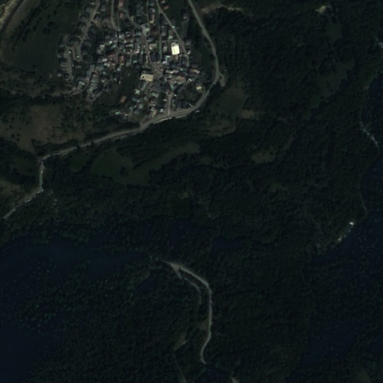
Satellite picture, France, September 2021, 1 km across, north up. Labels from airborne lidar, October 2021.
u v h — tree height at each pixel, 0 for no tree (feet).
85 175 65
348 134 108
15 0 0
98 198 62
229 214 38
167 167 45
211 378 91
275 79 98
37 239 62
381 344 68
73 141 32
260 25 34
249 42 41
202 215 73
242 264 86
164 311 86
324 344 59
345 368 99
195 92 0
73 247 72
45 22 0
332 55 58
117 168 0
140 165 48
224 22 37
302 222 87
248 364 87
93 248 95
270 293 84
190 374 36
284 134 63
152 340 89
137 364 105
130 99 17
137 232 37
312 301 92
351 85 59
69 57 0
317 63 64
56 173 40
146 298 63
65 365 68
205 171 85
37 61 0
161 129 67
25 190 31
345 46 86
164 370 64
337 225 67
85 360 81
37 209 105
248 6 77
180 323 87
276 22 107
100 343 57
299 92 114
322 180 39
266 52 112
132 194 67
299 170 85
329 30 0
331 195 25
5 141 54
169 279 76
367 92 70
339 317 107
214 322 46
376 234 67
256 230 52
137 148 50
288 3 64
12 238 97
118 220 83
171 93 0
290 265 92
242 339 98
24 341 67
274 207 84
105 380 31
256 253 102
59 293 71
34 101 22
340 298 66
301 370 96
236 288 94
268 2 115
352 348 92
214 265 70
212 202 50
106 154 19
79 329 70
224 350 90
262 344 102
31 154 45
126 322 94
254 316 104
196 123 30
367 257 79
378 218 78
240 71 39
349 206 20
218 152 26
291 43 57
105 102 0
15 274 81
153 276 40
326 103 37
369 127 33
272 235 85
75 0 39
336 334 73
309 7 129
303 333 103
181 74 0
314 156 85
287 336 91
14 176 21
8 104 37
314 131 103
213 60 47
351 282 86
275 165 65
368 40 97
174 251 70
